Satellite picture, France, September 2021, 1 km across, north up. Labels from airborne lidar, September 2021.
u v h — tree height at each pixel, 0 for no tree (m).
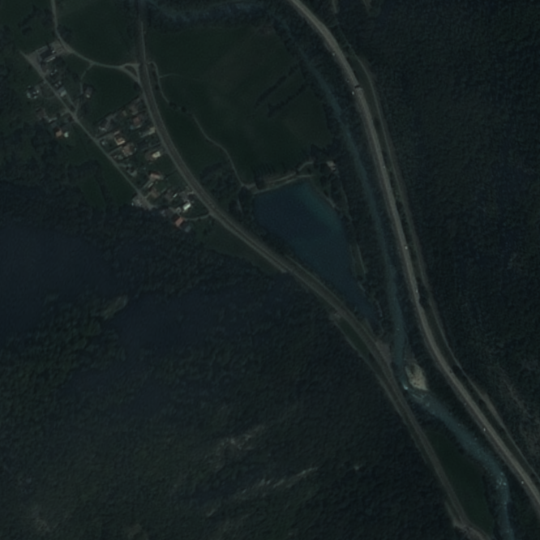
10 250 31
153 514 18
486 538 0
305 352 28
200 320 23
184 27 22
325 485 26
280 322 23
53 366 30
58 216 39
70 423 24
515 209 30
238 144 0
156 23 14
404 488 32
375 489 25
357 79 7
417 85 23
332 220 0
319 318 26
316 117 0
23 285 19
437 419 0
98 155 0
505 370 11
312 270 7
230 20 21
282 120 0
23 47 0
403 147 11
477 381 17
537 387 6
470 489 0
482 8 17
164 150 0
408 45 23
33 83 0
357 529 36
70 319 23
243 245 0
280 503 17
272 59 0
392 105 14
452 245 6
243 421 33
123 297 21
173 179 0
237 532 11
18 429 26
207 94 0
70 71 16
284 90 0
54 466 18
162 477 15
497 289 17
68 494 15
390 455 24
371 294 16
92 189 0
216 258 10
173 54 0
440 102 20
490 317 16
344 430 23
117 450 15
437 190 23
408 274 0
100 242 33
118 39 0
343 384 30
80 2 0
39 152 24
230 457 19
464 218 28
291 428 32
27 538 20
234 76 0
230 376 28
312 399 26
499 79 14
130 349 29
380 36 25
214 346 15
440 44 18
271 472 12
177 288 28
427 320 0
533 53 24
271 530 26
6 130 0
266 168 0
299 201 0
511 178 8
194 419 18
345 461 17
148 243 13
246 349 28
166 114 0
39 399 29
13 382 27
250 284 32
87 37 0
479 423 0
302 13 0
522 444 13
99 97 0
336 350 27
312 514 33
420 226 18
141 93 13
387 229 20
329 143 0
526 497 8
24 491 10
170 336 32
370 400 23
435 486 27
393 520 31
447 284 17
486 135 24
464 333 16
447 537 29
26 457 26
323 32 0
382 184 0
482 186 16
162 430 12
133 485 17
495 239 28
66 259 13
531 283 25
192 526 19
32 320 18
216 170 13
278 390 34
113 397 22
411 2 15
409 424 0
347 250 0
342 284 0
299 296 27
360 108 0
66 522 18
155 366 24
